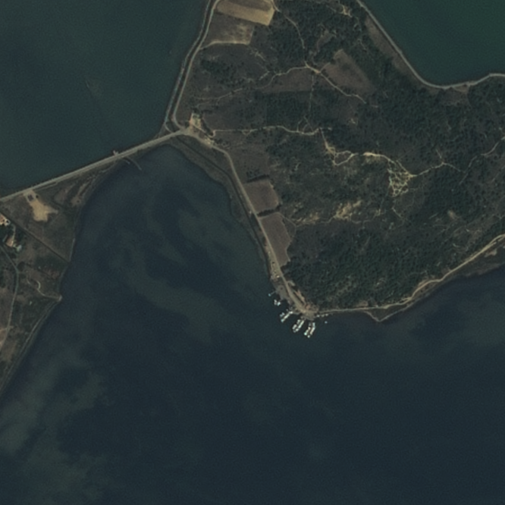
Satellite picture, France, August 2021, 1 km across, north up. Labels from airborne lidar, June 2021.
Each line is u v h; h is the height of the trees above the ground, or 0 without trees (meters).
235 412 0
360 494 0
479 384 0
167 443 0
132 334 0
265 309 0
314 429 0
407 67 0
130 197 0
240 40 0
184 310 0
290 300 0
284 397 0
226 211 0
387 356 0
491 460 0
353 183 9
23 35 0
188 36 0
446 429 0
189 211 0
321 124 7
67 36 0
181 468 0
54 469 0
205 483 0
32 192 0
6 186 0
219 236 0
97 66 0
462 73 0
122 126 0
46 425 0
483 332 0
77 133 0
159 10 0
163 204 0
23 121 0
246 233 0
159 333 0
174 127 0
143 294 0
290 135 6
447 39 0
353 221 0
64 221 0
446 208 7
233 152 0
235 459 0
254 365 0
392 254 9
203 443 0
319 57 8
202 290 0
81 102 0
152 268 0
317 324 0
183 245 0
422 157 8
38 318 0
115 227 0
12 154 0
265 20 0
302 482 0
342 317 0
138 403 0
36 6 0
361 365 0
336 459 0
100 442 0
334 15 8
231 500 0
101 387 0
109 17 0
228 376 0
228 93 0
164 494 0
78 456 0
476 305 0
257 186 0
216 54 0
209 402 0
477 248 7
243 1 0
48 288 0
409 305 0
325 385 0
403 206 0
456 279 0
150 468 0
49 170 0
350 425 0
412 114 9
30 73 0
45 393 0
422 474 0
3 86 0
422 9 0
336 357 0
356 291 9
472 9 0
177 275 0
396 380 0
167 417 0
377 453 0
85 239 0
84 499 0
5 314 0
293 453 0
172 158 0
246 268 0
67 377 0
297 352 0
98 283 0
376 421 0
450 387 0
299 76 0
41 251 0
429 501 0
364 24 8
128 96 0
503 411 0
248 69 0
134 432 0
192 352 0
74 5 0
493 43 0
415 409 0
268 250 0
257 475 0
